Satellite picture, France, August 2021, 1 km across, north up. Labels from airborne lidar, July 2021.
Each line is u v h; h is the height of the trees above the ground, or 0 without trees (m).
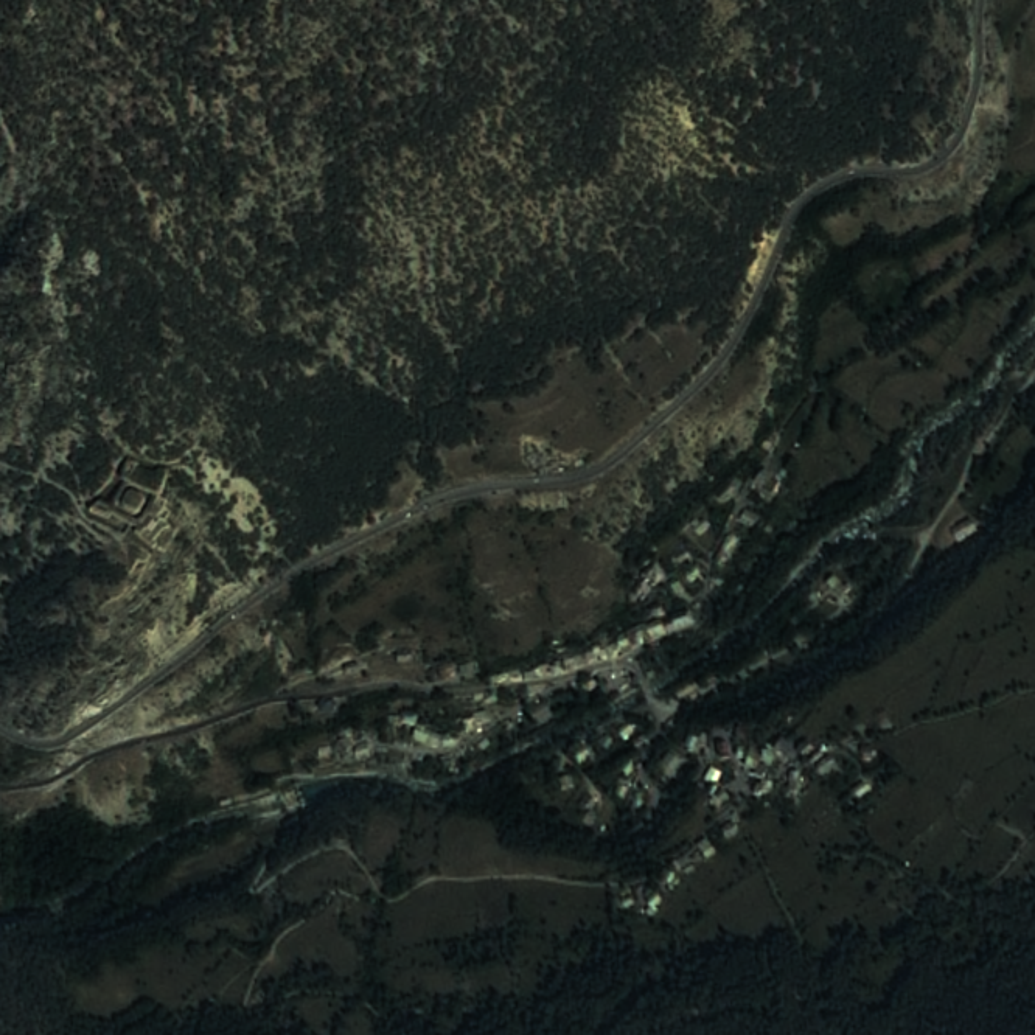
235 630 0
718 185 7
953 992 7
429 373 8
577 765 6
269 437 10
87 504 0
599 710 10
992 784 0
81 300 8
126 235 8
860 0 10
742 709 7
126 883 14
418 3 9
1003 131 6
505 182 9
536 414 0
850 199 16
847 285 11
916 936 12
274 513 11
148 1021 15
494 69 6
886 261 22
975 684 0
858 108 15
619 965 11
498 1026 8
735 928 0
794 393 19
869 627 11
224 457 7
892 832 0
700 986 10
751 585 16
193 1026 9
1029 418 13
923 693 0
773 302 13
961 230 20
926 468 8
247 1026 16
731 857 0
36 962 15
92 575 7
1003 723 0
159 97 6
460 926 0
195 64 6
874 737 10
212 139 10
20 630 12
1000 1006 6
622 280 6
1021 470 0
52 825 19
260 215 9
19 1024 9
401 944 0
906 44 10
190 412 7
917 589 10
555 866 0
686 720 11
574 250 7
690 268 8
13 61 10
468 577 7
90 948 15
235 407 8
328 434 9
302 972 12
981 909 11
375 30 9
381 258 8
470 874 0
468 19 9
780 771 0
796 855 0
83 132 10
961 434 8
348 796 11
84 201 10
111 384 8
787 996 7
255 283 10
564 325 11
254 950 9
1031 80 0
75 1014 12
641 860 10
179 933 9
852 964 10
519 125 6
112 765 0
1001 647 0
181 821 16
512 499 0
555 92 8
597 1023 13
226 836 9
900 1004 12
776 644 14
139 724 0
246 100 10
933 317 14
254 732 0
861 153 11
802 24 11
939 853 0
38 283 11
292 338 10
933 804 0
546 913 0
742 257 7
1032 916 9
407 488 0
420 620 0
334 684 7
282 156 6
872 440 0
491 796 18
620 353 6
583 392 0
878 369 0
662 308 6
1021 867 0
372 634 11
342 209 11
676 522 17
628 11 10
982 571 9
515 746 7
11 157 7
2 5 10
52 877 30
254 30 9
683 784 9
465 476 0
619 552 7
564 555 0
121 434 7
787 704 6
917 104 8
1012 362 11
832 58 12
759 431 7
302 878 0
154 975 0
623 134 7
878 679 0
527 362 14
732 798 8
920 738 0
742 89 8
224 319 7
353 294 8
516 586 0
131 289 10
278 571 6
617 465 0
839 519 9
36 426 7
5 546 13
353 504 10
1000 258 0
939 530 0
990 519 10
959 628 0
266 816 0
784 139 8
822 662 6
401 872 9
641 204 8
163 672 0
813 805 0
